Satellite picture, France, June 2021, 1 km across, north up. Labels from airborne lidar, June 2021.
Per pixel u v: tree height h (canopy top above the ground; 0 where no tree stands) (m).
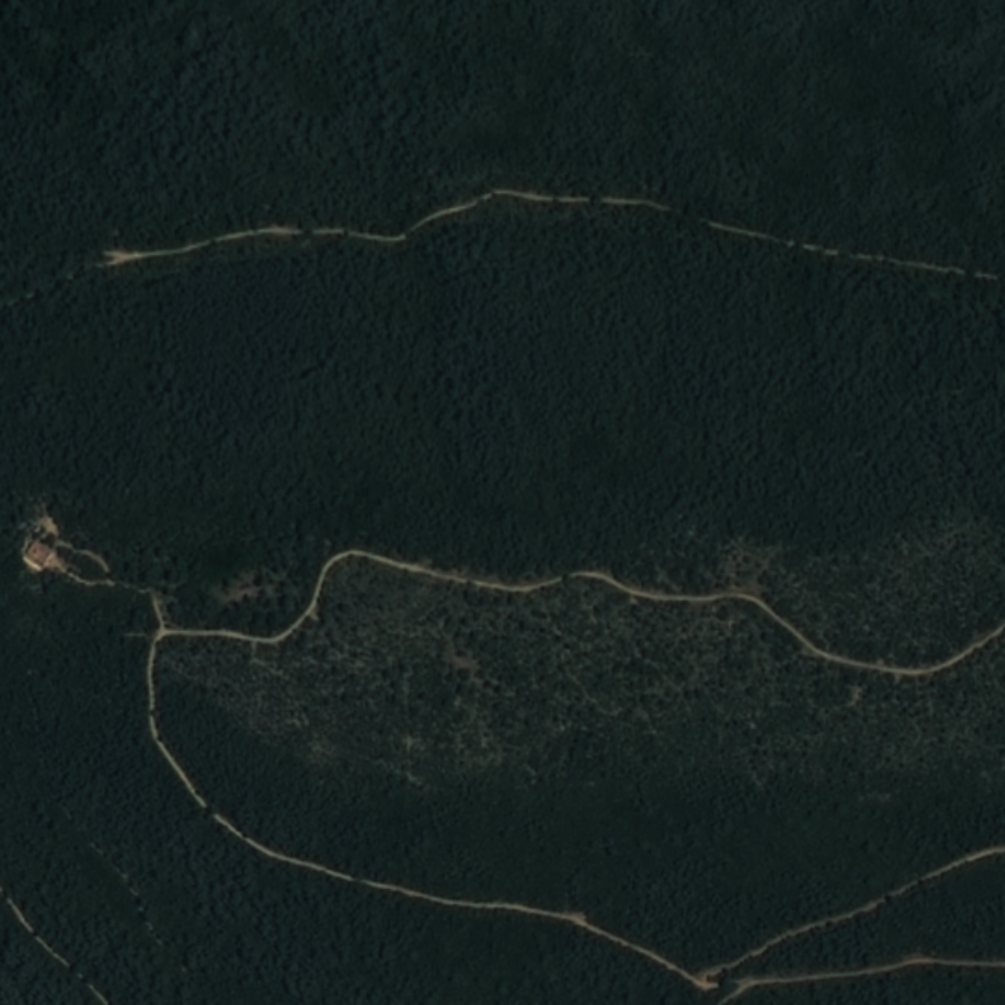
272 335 19
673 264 17
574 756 13
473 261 17
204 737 10
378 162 16
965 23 14
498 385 15
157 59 12
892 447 15
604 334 14
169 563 7
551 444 9
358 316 11
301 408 9
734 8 21
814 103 15
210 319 18
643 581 8
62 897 12
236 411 18
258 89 20
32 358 11
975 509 7
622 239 20
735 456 16
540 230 10
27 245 11
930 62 11
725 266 13
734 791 9
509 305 12
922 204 10
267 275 19
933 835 8
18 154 16
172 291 18
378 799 7
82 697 9
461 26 14
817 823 6
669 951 12
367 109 20
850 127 15
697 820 9
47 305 19
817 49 16
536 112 16
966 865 8
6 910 6
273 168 15
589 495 10
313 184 17
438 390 14
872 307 15
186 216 13
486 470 14
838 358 11
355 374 14
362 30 15
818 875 9
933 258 17
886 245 16
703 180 22
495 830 7
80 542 13
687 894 13
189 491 12
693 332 12
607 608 8
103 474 8
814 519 8
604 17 16
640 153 14
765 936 14
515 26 7
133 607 6
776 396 8
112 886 7
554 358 15
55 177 17
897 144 11
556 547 11
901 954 6
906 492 6
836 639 9
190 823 16
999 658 11
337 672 12
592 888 7
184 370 14
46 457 13
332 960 17
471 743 6
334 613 7
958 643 6
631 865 13
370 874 13
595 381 16
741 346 13
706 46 16
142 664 10
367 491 14
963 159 12
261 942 5
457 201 8
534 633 7
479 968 8
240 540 10
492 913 10
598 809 7
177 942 17
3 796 6
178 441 16
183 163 8
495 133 13
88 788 13
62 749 11
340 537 13
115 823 15
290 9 18
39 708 12
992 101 18
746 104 13
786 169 11
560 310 8
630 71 10
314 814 13
